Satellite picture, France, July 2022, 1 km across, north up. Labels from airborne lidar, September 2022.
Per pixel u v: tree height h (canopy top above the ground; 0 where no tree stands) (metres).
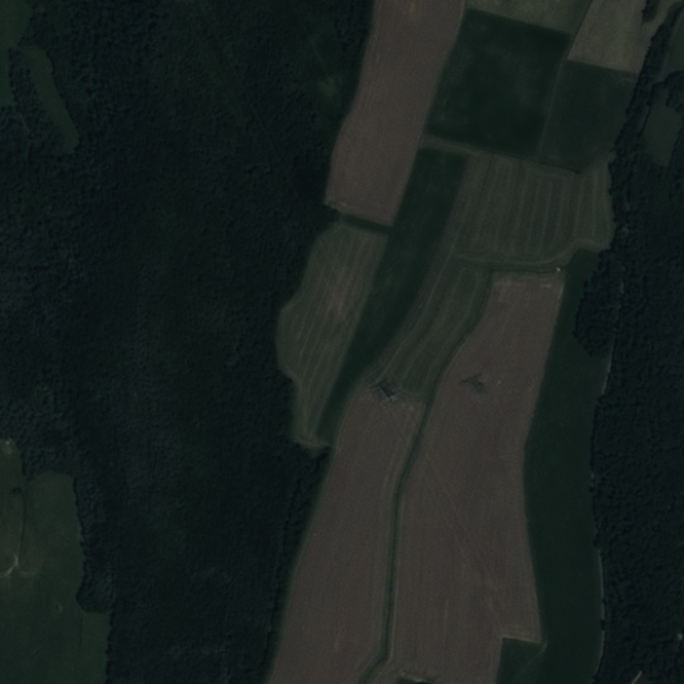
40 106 15
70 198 15
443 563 0
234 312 12
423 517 0
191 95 9
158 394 8
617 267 23
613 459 14
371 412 0
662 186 7
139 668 9
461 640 0
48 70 0
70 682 0
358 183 0
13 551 0
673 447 10
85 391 21
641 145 9
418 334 0
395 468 0
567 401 0
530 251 0
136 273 9
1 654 0
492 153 0
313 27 7
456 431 0
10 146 13
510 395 0
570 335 0
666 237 9
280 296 19
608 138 0
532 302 0
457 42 0
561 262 0
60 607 0
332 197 0
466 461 0
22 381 13
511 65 0
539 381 0
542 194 0
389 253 0
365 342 0
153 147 14
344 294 0
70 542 0
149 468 10
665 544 14
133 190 15
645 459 13
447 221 0
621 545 16
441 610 0
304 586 0
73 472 21
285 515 17
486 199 0
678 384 19
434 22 0
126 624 10
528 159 0
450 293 0
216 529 10
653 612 18
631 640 18
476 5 0
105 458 18
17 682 0
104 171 18
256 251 24
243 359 13
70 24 8
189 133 16
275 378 19
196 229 11
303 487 20
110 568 16
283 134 19
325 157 21
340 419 0
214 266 7
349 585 0
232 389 13
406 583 0
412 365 0
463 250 0
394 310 0
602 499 20
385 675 0
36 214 8
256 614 19
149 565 9
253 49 13
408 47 0
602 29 0
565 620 0
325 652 0
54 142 10
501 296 0
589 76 0
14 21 0
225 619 15
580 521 0
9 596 0
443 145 0
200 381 9
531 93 0
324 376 0
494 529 0
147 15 19
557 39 0
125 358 6
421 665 0
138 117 20
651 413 14
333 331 0
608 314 22
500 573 0
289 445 23
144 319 7
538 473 0
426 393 0
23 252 21
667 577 13
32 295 17
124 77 21
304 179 20
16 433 12
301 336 0
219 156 16
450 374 0
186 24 8
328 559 0
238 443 10
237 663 19
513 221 0
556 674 0
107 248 14
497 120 0
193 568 12
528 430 0
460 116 0
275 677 0
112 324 14
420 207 0
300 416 0
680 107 12
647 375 13
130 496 11
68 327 18
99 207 21
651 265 14
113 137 18
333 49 7
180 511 10
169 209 7
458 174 0
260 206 25
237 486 11
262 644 20
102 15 17
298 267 18
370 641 0
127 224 17
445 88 0
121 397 12
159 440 10
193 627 13
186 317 7
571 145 0
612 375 11
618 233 10
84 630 0
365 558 0
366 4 23
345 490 0
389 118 0
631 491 12
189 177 8
